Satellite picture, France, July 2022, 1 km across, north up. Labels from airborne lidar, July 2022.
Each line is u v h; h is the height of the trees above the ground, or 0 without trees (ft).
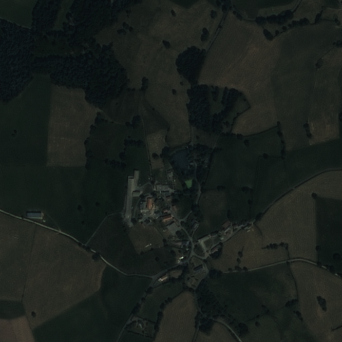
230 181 0
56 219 0
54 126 0
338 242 0
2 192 0
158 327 41
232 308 0
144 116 0
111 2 73
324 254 0
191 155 28
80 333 0
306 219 0
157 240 0
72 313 0
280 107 0
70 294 0
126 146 38
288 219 0
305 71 0
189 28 0
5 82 79
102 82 83
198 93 56
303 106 0
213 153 41
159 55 0
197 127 74
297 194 0
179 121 0
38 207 0
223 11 34
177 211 0
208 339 0
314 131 0
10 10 0
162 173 0
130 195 0
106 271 0
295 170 0
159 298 0
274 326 0
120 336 0
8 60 82
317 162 0
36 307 0
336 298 0
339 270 0
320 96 0
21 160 0
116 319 0
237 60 0
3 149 0
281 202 0
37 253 0
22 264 0
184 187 40
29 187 0
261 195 0
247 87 0
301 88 0
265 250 0
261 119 0
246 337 0
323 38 0
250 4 0
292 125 0
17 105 0
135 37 0
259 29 0
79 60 104
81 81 60
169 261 0
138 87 0
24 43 89
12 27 78
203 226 0
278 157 0
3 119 0
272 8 0
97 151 0
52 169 0
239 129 0
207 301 21
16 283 0
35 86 0
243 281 0
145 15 0
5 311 0
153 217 0
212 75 0
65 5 0
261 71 0
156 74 0
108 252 0
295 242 0
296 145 0
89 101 48
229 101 59
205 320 44
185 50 0
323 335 0
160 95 0
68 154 0
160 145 0
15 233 0
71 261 0
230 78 0
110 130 0
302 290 0
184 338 0
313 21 0
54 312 0
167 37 0
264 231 0
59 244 0
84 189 0
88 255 0
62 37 92
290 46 0
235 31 0
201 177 70
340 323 0
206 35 73
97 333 0
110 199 0
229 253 0
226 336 0
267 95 0
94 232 0
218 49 0
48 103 0
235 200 0
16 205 0
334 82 0
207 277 0
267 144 0
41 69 67
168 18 0
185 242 0
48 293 0
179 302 0
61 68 31
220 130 46
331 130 0
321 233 0
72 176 0
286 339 0
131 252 0
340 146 0
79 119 0
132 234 0
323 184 0
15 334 0
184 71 59
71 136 0
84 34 101
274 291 0
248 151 0
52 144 0
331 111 0
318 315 0
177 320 0
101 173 0
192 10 0
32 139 0
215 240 0
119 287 0
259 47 0
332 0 0
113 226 0
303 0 0
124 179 0
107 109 0
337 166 0
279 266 0
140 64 0
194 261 0
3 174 0
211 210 0
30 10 0
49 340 0
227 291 0
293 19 0
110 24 56
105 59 90
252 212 0
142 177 0
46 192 0
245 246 0
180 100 0
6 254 0
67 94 0
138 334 20
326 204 0
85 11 71
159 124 0
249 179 0
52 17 68
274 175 0
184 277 26
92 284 0
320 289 0
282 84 0
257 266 0
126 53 0
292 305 31
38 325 0
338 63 0
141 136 0
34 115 0
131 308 0
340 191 0
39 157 0
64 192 0
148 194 0
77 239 0
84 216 0
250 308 0
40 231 0
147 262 0
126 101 0
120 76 90
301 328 0
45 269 0
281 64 0
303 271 0
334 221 0
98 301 0
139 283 0
